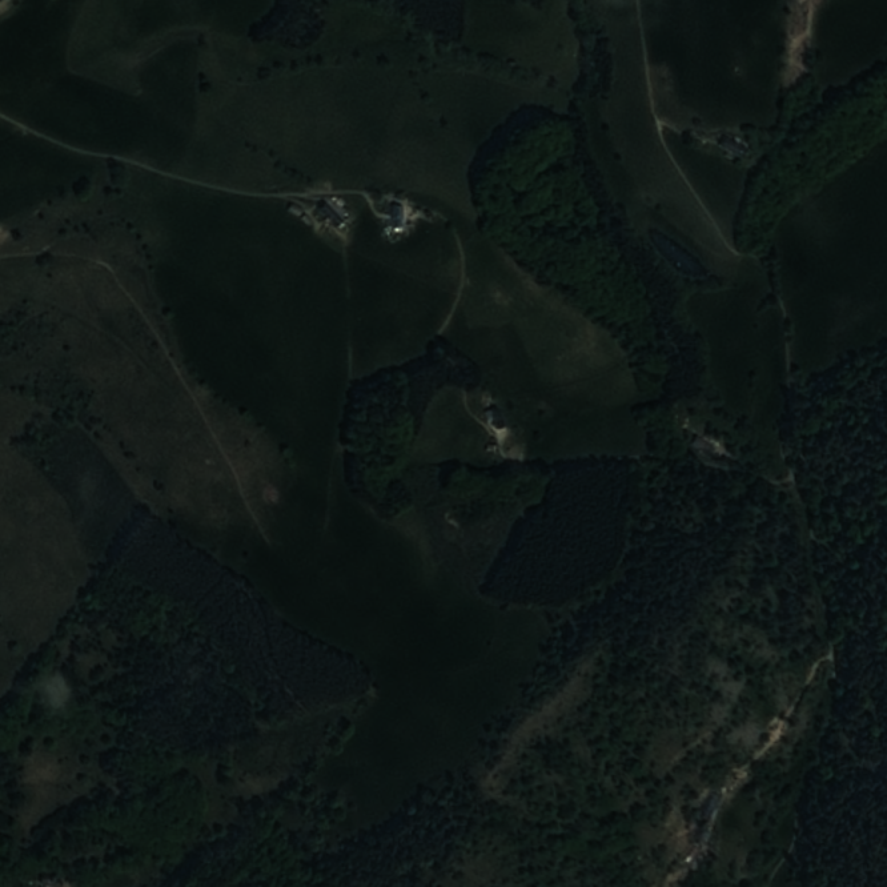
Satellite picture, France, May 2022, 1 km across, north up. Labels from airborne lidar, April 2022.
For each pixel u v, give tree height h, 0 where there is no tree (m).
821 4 0
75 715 24
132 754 14
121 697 14
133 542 28
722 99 0
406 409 21
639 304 25
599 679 9
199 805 26
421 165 0
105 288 0
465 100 0
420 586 0
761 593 21
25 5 0
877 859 24
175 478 0
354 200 0
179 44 0
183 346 0
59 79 0
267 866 21
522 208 40
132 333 0
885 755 22
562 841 22
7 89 0
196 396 0
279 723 19
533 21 0
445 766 0
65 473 0
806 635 28
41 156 0
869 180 0
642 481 16
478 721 0
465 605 0
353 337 0
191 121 0
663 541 15
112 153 0
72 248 0
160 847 31
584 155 18
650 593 17
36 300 0
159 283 0
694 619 10
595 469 17
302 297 0
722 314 0
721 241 0
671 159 0
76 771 0
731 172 0
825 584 20
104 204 0
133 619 17
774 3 0
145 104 0
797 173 29
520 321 0
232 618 24
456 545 0
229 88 0
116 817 27
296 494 0
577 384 0
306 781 18
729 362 0
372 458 28
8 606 0
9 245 0
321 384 0
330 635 0
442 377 19
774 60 0
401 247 0
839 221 0
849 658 28
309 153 0
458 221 0
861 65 0
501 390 0
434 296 0
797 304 0
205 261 0
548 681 6
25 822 0
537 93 0
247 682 20
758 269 0
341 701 27
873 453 29
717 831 7
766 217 26
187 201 0
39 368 0
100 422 8
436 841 23
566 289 28
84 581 0
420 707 0
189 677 23
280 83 0
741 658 11
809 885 24
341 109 0
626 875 15
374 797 0
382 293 0
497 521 0
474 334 0
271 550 0
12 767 6
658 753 0
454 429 0
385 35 0
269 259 0
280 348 0
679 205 0
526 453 0
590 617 13
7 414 0
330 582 0
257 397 0
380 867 18
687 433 8
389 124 0
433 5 29
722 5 0
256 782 0
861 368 20
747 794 13
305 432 0
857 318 0
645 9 0
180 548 29
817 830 26
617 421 0
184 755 20
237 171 0
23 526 0
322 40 0
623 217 19
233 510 0
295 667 30
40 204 0
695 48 0
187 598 28
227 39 0
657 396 0
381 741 0
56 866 12
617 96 0
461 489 18
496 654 0
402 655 0
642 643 16
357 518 0
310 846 10
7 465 0
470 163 0
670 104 0
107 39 0
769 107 0
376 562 0
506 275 0
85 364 0
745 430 20
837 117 35
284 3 26
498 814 12
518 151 37
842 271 0
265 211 0
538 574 18
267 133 0
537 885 7
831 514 16
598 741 13
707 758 7
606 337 0
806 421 27
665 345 24
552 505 21
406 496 15
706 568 13
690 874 7
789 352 0
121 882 0
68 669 14
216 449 0
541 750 19
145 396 0
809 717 0
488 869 0
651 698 19
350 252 0
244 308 0
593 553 15
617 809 0
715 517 10
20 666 0
